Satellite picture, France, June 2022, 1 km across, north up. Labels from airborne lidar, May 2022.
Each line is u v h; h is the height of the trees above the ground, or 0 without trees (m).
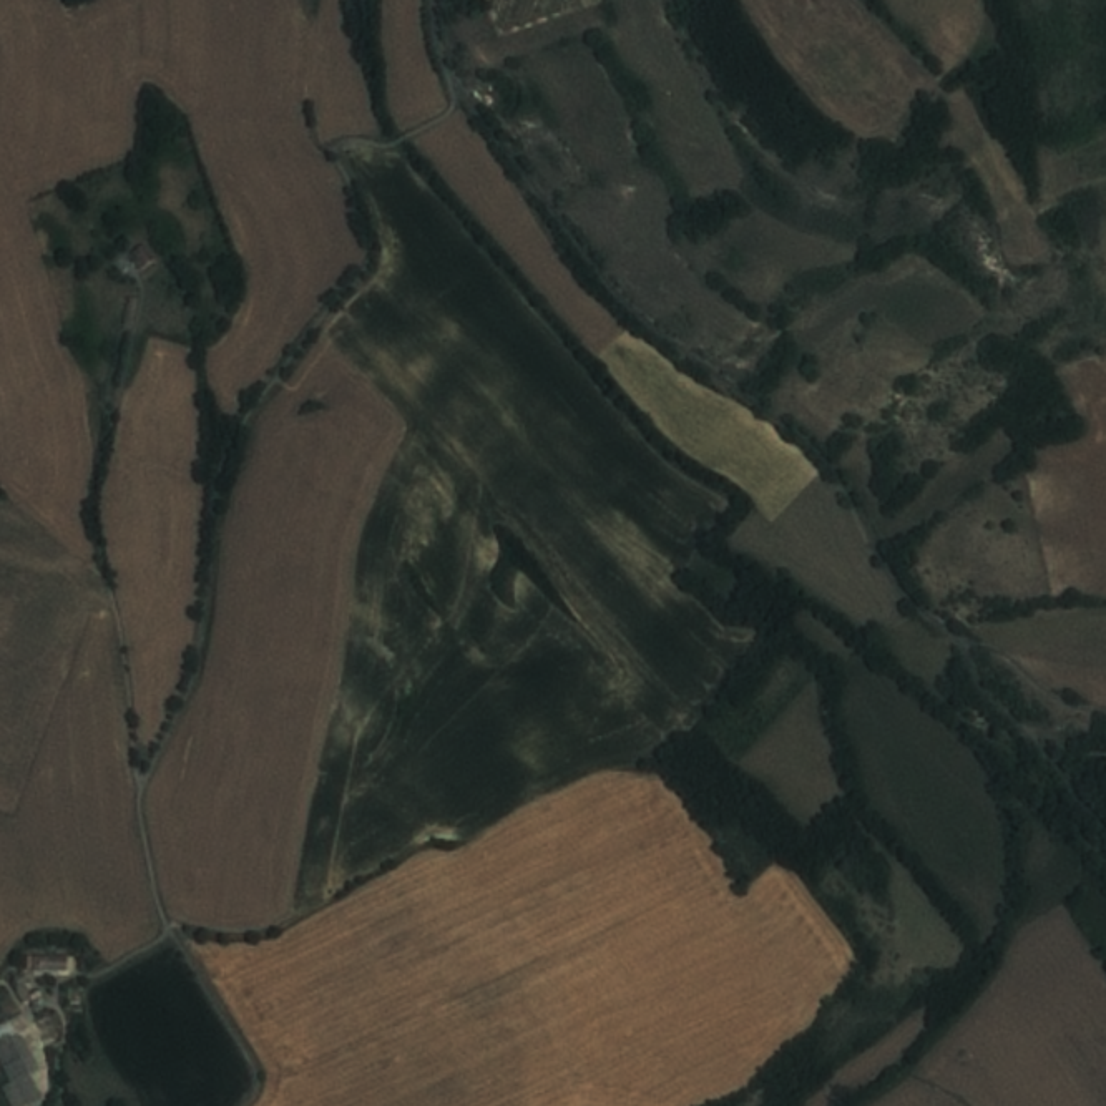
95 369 0
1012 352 10
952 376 0
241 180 0
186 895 0
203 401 15
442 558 0
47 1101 6
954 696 18
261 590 0
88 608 0
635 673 0
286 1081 0
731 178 0
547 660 0
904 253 14
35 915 0
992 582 0
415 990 0
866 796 6
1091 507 0
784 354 12
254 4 0
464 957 0
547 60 0
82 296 0
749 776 15
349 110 0
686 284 0
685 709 0
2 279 0
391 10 0
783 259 0
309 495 0
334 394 0
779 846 16
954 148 10
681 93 0
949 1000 15
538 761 0
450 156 0
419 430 0
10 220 0
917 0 0
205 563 15
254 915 0
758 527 0
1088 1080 0
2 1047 0
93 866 0
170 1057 0
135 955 0
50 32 0
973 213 6
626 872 0
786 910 0
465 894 0
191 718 0
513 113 6
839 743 14
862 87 0
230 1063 0
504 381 0
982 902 0
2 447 0
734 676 15
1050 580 0
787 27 0
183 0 0
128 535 0
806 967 0
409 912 0
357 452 0
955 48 0
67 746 0
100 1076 0
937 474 7
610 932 0
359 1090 0
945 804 0
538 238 0
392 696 0
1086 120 6
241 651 0
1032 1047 0
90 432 0
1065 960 0
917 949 0
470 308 0
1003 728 16
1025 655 0
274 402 0
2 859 0
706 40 11
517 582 0
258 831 0
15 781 0
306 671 0
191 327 10
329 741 0
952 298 0
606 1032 0
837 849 14
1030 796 20
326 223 0
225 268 17
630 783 0
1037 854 0
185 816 0
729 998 0
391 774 0
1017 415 15
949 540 0
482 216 0
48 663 0
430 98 0
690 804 12
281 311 0
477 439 0
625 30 0
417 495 0
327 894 0
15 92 0
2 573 0
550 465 0
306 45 0
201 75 0
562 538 0
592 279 10
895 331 0
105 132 0
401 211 0
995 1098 0
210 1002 0
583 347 10
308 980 0
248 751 0
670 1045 0
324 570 0
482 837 0
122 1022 0
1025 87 10
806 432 7
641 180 0
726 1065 0
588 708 0
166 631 0
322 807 0
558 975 0
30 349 0
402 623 0
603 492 0
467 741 0
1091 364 0
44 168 0
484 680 0
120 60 0
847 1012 0
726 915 0
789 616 14
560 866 0
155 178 0
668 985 0
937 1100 0
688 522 0
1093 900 0
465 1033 0
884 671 18
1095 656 0
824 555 0
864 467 0
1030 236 0
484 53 0
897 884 0
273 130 0
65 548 0
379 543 0
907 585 16
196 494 0
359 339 0
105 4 0
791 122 16
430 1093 0
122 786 0
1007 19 12
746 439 0
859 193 8
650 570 0
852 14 0
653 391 0
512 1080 0
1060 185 0
